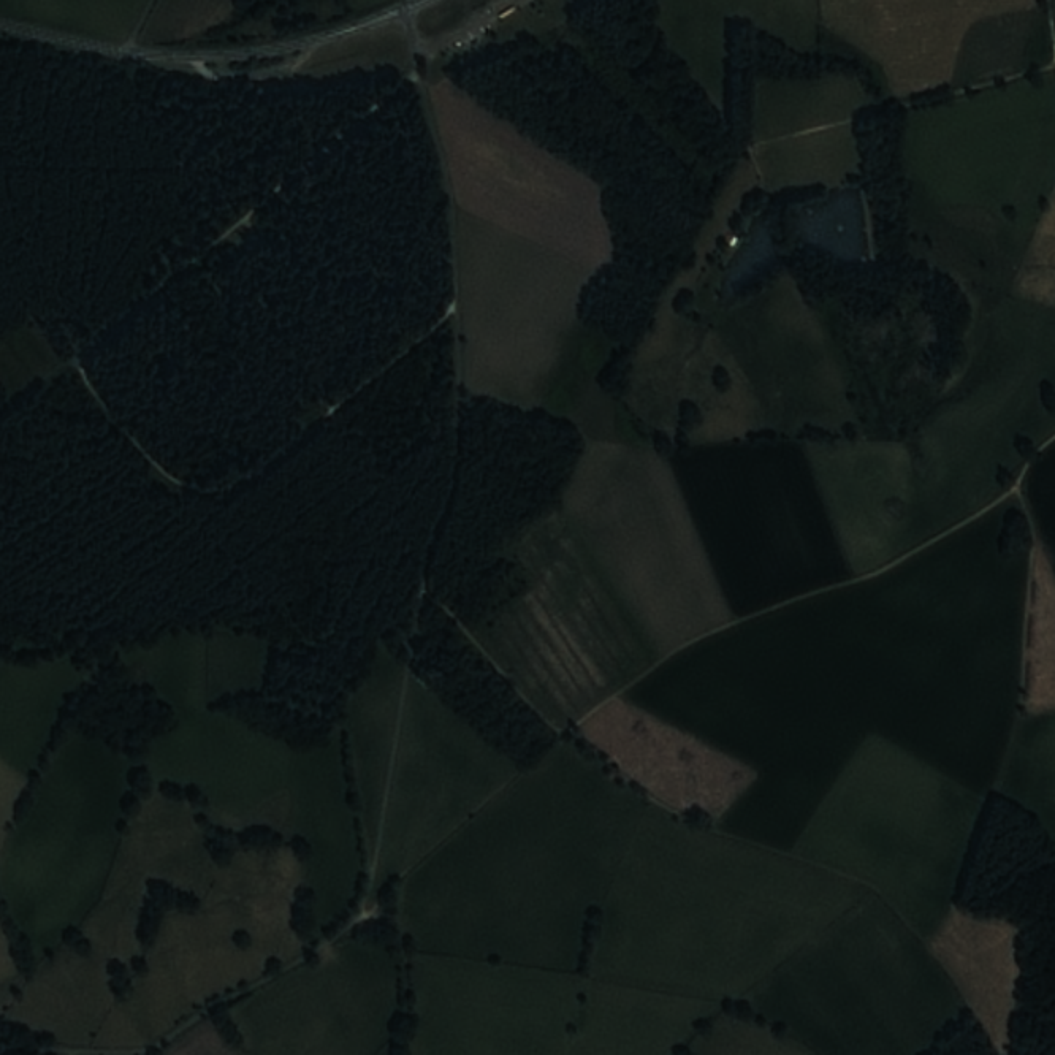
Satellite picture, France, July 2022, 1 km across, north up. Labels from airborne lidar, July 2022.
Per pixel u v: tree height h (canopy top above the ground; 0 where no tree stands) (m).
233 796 0
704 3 0
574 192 0
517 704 19
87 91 18
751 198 14
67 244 19
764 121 0
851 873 0
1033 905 27
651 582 0
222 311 20
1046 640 0
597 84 24
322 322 31
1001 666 0
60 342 24
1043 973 23
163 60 0
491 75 27
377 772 0
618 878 0
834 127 0
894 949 0
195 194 25
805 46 0
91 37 0
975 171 0
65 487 28
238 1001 6
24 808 14
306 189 33
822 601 0
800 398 0
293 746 14
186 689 0
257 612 18
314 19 12
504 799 0
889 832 0
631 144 19
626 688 0
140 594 23
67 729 16
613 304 25
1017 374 0
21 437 22
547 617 0
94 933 0
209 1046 0
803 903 0
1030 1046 20
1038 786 0
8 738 0
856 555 0
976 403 0
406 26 0
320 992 0
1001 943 0
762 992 0
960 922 0
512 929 0
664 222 29
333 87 21
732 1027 0
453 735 0
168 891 22
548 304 0
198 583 22
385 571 20
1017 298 0
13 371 0
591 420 0
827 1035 0
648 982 0
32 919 0
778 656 0
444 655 17
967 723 0
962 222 0
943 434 0
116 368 32
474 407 18
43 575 24
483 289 0
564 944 0
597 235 0
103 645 26
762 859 0
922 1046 0
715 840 0
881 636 0
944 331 20
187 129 34
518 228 0
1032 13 0
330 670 22
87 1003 0
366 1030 0
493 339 0
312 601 13
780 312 0
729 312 0
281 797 0
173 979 0
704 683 0
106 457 25
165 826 0
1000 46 0
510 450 27
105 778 0
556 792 0
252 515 19
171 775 0
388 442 9
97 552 28
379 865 0
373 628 20
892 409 0
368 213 30
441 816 0
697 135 23
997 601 0
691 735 0
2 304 18
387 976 0
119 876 0
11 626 11
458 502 20
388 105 29
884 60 0
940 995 0
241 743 0
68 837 0
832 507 0
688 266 16
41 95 22
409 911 0
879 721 0
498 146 0
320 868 0
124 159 20
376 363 27
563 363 0
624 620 0
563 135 26
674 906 0
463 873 0
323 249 36
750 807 0
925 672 0
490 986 0
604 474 0
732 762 0
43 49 11
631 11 23
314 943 15
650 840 0
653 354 0
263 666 0
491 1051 0
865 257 0
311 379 32
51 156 20
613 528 0
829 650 0
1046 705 0
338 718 15
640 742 0
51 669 0
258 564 20
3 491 20
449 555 21
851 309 16
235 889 0
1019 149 0
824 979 0
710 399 0
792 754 0
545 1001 0
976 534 0
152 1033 0
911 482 0
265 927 0
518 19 0
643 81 27
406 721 0
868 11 0
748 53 25
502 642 0
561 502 22
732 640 0
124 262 21
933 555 0
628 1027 0
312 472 20
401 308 30
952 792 0
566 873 0
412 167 30
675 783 0
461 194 0
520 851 0
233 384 32
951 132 0
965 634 0
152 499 27
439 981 0
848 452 0
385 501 17
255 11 15
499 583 7
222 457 11
